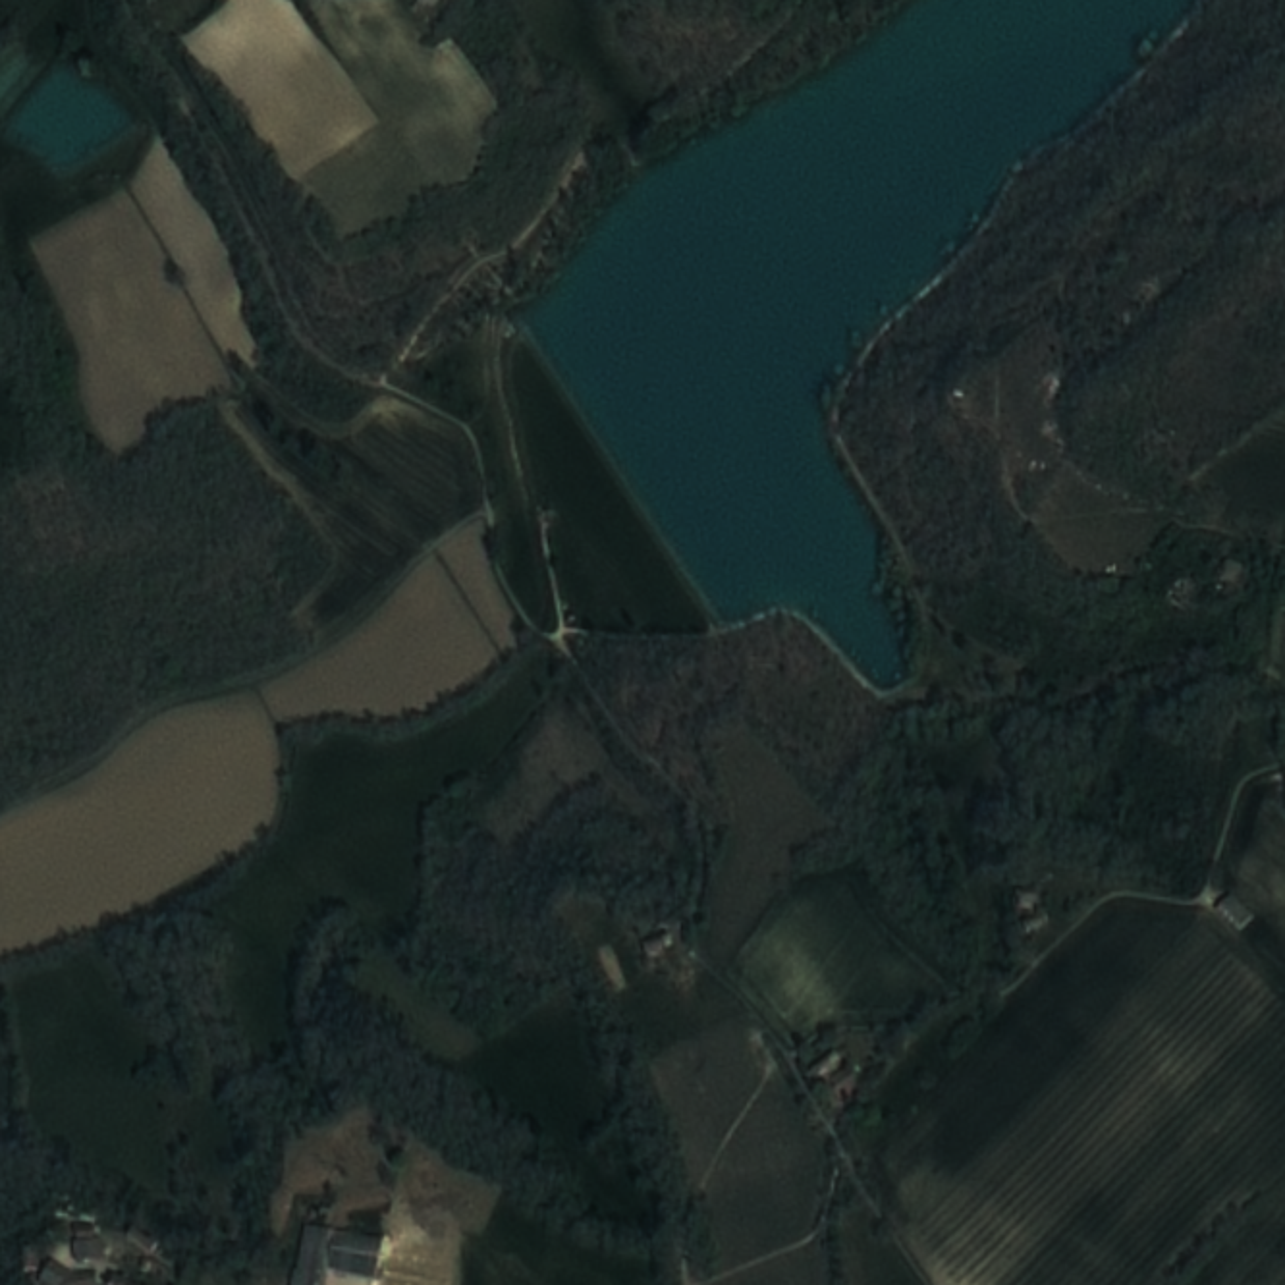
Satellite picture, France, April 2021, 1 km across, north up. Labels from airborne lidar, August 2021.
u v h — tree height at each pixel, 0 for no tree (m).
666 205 0
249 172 10
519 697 0
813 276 0
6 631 23
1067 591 18
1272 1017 0
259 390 0
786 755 14
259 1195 18
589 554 0
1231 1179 0
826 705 8
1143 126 13
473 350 0
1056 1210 0
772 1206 0
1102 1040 0
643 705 7
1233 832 0
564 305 0
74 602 13
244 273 21
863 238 0
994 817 21
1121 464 13
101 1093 0
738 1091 0
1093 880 6
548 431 0
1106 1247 0
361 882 0
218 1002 20
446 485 0
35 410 15
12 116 0
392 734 14
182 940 22
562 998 0
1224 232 10
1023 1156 0
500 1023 22
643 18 16
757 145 0
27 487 9
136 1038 0
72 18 0
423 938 18
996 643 21
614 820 12
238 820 0
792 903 0
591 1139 15
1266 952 0
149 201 0
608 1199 0
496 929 14
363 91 0
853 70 0
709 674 7
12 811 18
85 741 17
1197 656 20
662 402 0
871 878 12
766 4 18
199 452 18
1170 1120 0
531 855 14
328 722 12
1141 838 6
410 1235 0
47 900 0
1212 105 17
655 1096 13
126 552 13
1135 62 0
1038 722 24
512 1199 16
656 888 20
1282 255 9
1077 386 10
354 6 0
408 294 8
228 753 0
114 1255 0
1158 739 22
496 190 16
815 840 7
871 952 0
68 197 0
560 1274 0
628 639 15
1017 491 9
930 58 0
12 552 12
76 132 0
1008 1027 0
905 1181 0
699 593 0
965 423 9
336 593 0
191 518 14
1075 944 0
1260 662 14
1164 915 0
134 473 21
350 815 0
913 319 12
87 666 17
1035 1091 0
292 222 11
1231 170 6
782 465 0
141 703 13
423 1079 21
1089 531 0
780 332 0
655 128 25
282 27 0
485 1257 0
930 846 29
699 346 0
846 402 6
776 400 0
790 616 8
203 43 0
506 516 0
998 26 0
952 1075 0
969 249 15
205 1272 10
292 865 0
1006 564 14
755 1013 0
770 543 0
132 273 0
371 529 0
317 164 0
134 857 0
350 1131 0
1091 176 11
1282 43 14
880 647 0
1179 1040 0
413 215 10
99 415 0
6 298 27
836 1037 15
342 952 6
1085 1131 0
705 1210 9
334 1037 21
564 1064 0
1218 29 12
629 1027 11
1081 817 16
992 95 0
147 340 0
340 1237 0
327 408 20
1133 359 9
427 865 11
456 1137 20
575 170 0
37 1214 13
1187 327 8
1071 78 0
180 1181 12
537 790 0
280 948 0
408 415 0
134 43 15
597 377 0
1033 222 13
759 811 0
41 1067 0
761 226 0
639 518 0
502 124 12
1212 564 16
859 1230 0
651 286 0
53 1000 0
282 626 20
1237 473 0
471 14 14
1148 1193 0
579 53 0
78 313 0
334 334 9
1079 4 0
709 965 0
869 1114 15
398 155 0
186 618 8
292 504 18
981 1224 0
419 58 0
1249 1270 0
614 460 0
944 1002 6
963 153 0
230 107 17
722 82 17
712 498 0
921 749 11
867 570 0
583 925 0
